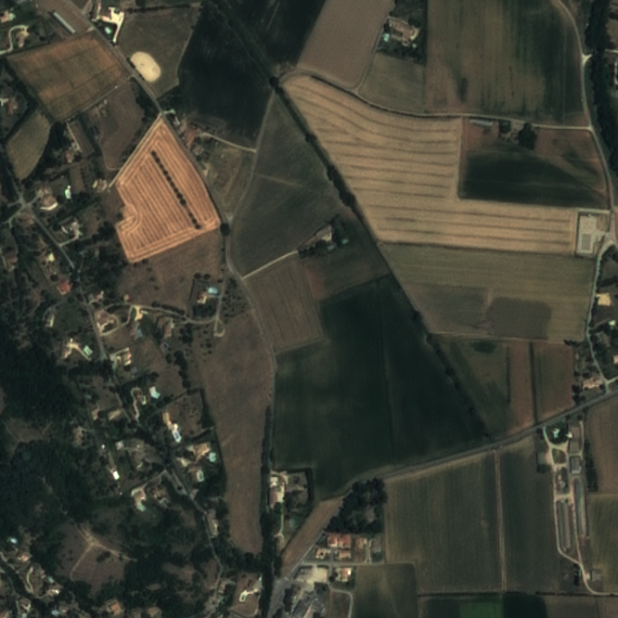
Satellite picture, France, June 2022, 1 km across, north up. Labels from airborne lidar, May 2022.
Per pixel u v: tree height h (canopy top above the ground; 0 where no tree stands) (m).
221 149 0
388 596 0
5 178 10
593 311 8
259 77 0
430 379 0
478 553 0
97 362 7
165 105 7
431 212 0
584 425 0
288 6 0
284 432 0
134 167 0
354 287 0
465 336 0
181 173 0
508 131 14
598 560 0
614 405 0
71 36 0
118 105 0
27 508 9
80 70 0
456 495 0
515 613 0
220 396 0
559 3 0
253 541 0
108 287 5
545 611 0
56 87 0
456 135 0
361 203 0
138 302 0
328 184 0
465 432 0
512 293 0
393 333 0
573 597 10
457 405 0
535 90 0
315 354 0
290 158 0
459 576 0
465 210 0
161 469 12
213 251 0
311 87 0
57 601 11
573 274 0
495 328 0
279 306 0
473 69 0
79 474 9
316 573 0
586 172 0
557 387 0
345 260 0
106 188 0
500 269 0
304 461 0
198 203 0
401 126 0
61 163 9
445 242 0
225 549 16
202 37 0
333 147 0
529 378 0
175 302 0
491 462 0
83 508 7
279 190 0
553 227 0
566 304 0
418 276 0
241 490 0
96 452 9
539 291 0
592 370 16
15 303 9
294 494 11
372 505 10
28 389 15
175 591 7
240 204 0
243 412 0
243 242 0
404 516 0
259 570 15
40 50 0
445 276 0
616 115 12
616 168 25
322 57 0
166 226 0
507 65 0
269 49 0
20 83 9
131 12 9
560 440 6
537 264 0
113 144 0
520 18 0
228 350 0
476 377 0
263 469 11
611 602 0
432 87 0
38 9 0
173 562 8
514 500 0
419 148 0
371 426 0
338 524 15
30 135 0
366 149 0
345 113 0
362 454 0
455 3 0
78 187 0
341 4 0
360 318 0
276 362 0
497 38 0
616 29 0
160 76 0
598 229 0
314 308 0
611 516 0
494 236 0
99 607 9
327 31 0
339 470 0
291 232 0
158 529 7
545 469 12
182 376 12
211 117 0
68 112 0
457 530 0
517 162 0
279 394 0
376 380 0
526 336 0
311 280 0
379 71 0
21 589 10
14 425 0
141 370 0
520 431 0
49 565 13
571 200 0
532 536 0
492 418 0
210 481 11
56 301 8
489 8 0
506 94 0
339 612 0
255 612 0
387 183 0
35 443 13
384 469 0
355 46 0
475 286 0
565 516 0
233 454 0
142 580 10
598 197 0
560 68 0
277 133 0
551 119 0
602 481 0
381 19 0
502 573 0
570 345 25
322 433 0
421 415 0
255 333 0
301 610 0
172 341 0
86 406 10
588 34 17
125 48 0
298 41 0
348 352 0
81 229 7
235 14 0
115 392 11
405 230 0
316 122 0
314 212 0
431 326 0
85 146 0
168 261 0
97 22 6
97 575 0
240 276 0
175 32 0
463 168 0
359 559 0
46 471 8
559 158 0
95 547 0
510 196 0
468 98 0
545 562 0
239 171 0
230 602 7
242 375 0
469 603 0
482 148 0
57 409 9
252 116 0
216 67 0
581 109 0
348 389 0
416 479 0
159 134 0
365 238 0
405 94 0
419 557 0
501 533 0
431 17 0
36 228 6
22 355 10
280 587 0
